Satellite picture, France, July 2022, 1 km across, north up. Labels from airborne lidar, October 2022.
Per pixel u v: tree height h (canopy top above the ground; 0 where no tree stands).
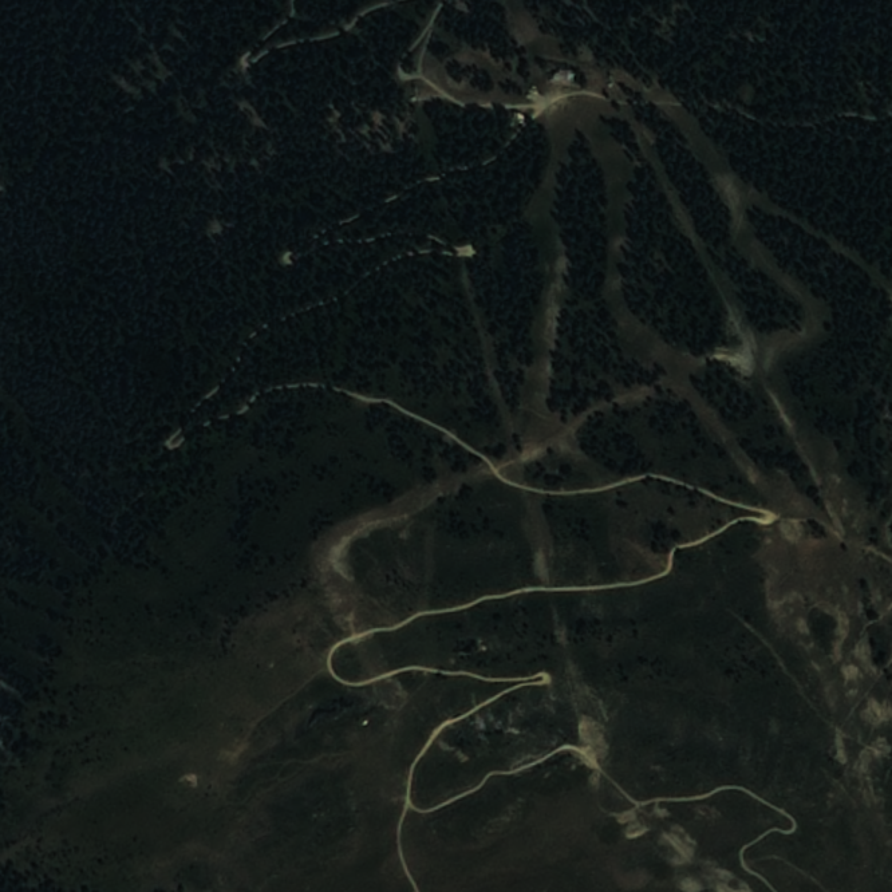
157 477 11
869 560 0
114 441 12
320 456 0
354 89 16
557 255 0
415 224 15
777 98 6
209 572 0
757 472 0
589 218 18
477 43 13
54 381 12
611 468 9
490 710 0
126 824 0
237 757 0
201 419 12
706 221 14
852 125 12
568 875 0
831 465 0
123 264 17
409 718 0
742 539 0
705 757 0
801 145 11
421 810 0
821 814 0
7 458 13
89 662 0
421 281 15
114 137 8
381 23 18
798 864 0
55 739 0
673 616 0
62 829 0
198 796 0
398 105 14
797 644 0
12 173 6
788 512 0
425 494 0
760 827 0
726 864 0
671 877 0
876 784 0
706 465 0
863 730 0
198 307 6
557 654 0
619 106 16
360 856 0
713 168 0
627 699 0
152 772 0
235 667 0
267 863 0
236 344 16
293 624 0
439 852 0
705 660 0
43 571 9
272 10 15
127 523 10
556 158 0
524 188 22
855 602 0
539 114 0
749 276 15
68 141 11
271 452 6
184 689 0
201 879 0
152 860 0
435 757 0
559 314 0
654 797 0
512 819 0
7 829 0
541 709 0
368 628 0
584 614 0
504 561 0
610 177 0
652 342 0
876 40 16
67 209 15
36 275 16
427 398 9
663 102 0
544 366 0
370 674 0
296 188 19
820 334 0
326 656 0
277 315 11
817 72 17
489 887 0
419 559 0
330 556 0
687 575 0
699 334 18
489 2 14
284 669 0
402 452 10
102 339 22
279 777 0
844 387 11
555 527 0
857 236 14
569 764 0
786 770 0
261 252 17
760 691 0
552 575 0
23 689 12
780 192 14
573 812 0
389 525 0
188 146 22
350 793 0
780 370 0
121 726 0
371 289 15
